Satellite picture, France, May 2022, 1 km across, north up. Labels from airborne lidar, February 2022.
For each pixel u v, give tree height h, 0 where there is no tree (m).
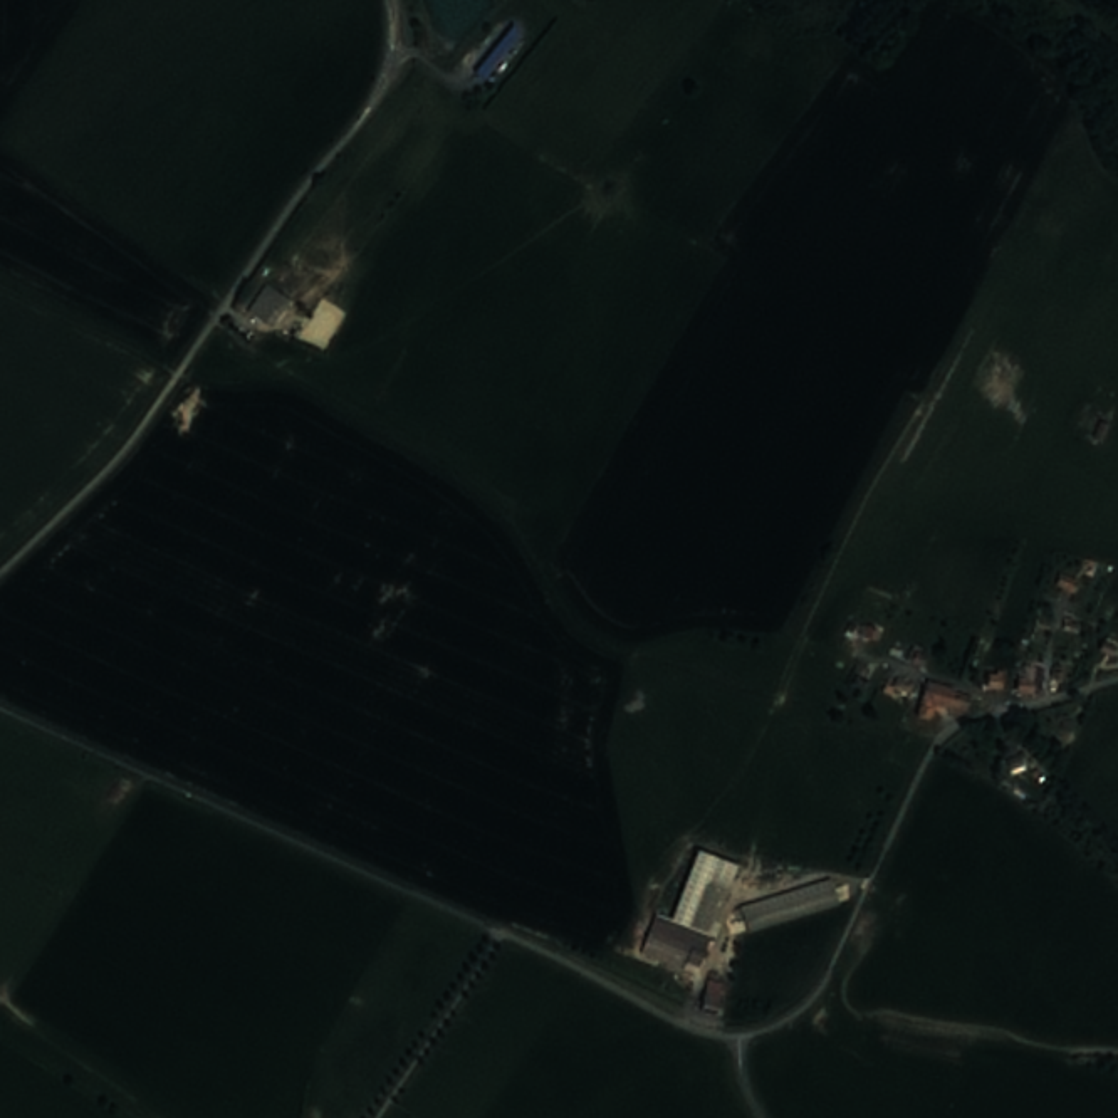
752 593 0
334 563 0
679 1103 0
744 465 0
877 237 0
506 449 0
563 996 0
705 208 0
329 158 0
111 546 0
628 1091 0
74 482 0
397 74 0
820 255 0
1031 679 0
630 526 0
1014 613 0
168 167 0
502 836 0
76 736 0
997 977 0
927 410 0
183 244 0
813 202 0
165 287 0
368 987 0
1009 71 0
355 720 0
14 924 0
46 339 0
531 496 0
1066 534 0
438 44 0
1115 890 0
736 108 0
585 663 0
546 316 0
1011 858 0
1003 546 0
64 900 0
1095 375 0
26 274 0
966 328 0
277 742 0
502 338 0
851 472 0
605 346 0
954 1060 0
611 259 0
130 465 0
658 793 0
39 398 0
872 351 0
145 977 0
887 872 0
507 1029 0
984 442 0
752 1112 0
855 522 0
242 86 0
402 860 0
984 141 0
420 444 0
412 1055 11
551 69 0
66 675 0
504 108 0
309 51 0
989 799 0
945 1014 0
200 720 0
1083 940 0
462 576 0
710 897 0
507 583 0
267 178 0
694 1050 0
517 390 0
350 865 0
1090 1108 0
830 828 0
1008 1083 0
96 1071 0
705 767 0
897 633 0
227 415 0
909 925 0
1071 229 0
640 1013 0
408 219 0
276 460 0
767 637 0
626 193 0
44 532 0
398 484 0
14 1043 0
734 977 11
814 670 0
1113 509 0
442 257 0
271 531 0
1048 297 0
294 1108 0
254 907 0
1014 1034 0
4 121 0
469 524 0
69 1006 0
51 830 0
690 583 0
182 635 0
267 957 0
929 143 0
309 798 0
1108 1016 0
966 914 0
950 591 0
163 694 0
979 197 0
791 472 0
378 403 0
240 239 0
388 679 0
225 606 0
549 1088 0
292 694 0
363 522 0
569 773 0
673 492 0
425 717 0
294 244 0
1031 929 0
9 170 0
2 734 0
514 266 0
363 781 0
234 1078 0
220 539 0
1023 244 0
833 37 0
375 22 0
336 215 0
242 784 0
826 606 0
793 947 0
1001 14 19
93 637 0
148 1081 0
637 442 0
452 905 0
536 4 0
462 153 0
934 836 0
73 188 0
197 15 0
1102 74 25
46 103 0
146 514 0
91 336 0
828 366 0
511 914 0
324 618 0
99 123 0
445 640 0
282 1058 0
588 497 0
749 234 0
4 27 0
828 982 0
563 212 0
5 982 0
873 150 0
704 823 0
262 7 0
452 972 0
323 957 0
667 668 0
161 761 0
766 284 0
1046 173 0
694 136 0
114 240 0
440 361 0
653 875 0
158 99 0
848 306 0
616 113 0
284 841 0
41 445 0
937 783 0
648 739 0
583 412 0
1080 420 0
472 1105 0
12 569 0
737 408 0
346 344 0
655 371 0
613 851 0
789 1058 0
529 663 0
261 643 0
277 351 0
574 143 0
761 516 0
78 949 0
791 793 0
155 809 0
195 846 0
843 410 0
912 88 0
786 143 0
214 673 0
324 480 0
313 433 0
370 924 0
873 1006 0
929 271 0
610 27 0
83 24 0
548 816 0
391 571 0
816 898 0
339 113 0
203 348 0
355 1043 0
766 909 0
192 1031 0
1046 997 0
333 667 0
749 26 0
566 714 0
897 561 0
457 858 0
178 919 0
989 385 0
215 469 0
